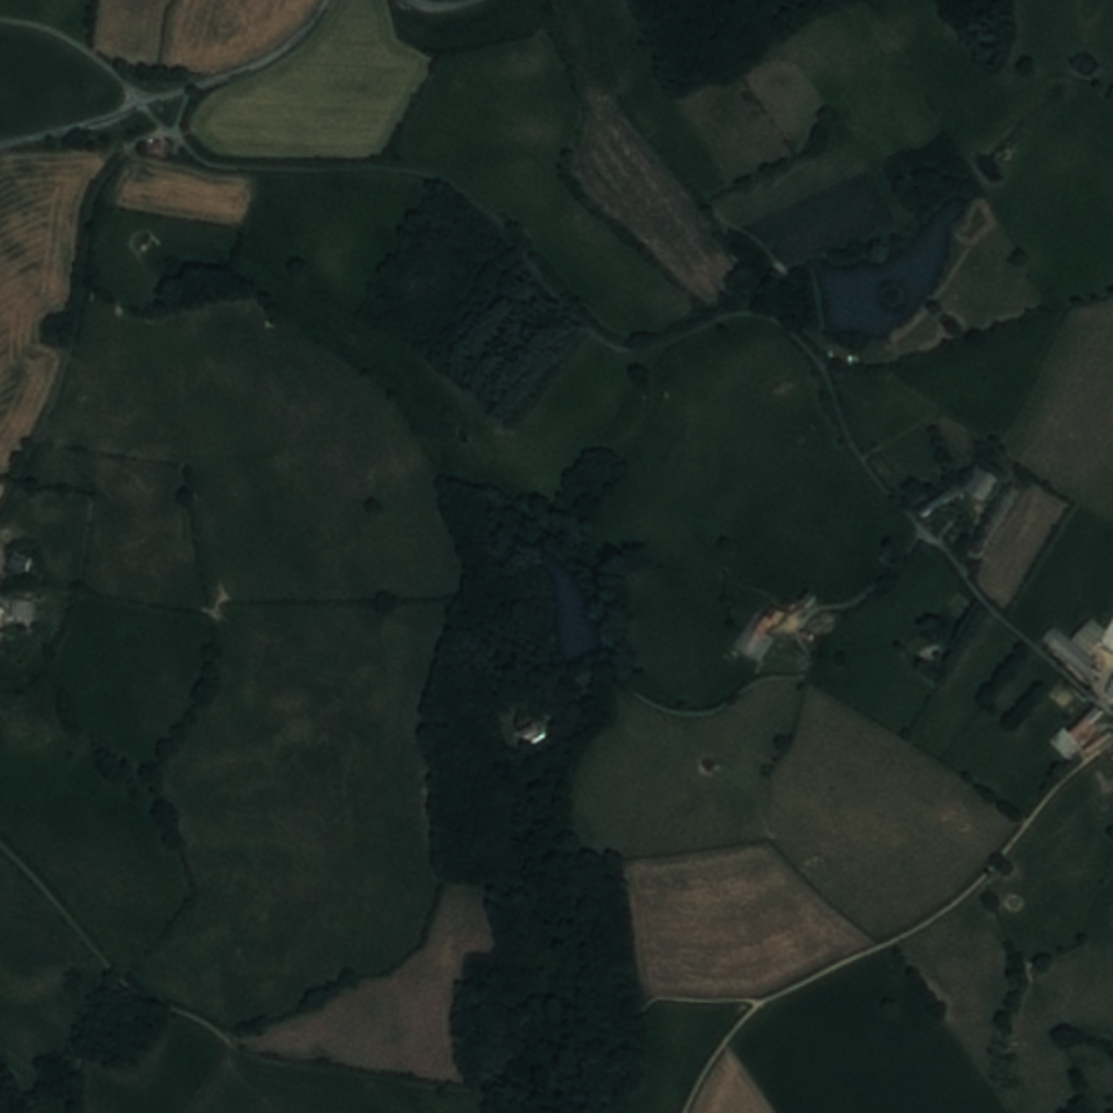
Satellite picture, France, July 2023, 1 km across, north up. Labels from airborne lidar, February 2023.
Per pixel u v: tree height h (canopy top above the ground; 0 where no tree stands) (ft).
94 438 0
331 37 0
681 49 55
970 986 0
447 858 77
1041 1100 0
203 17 0
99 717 0
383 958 0
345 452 0
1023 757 0
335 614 0
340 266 0
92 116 0
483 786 82
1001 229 0
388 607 37
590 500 57
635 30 0
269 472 0
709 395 0
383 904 0
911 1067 0
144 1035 68
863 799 0
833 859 0
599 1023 73
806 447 0
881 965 0
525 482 0
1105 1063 0
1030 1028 0
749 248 19
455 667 62
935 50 0
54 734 0
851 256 36
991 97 0
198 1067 0
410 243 38
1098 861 0
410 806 0
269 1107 0
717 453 0
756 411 0
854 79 0
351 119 0
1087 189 0
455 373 65
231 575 0
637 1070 60
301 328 0
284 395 0
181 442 0
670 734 0
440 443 0
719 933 0
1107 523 0
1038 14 0
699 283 0
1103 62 0
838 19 0
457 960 0
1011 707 0
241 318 0
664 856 0
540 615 85
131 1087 0
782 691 0
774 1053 0
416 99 23
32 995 0
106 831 0
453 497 68
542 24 0
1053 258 0
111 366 0
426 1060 0
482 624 70
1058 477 0
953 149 21
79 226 0
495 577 75
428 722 60
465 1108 0
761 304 53
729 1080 0
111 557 0
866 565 0
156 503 0
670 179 0
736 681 0
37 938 0
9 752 0
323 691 0
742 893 0
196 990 0
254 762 0
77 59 0
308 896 0
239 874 0
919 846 0
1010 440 0
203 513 0
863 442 0
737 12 69
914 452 0
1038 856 0
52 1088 37
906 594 0
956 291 0
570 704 60
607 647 29
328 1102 0
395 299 25
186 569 0
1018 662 48
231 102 0
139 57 0
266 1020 32
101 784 0
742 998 0
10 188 0
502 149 0
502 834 93
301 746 0
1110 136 0
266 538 0
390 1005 0
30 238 0
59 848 0
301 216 0
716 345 0
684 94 43
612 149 0
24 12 0
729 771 0
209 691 52
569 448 0
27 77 0
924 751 0
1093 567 0
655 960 0
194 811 0
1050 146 0
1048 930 0
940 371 0
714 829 0
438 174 0
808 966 0
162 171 0
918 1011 0
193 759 0
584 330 53
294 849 0
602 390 0
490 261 33
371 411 0
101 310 0
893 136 0
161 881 0
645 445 0
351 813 0
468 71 0
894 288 34
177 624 0
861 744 0
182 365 0
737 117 0
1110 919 0
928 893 0
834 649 0
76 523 0
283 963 0
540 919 50
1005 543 0
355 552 0
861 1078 0
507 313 92
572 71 31
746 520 0
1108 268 0
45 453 0
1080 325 0
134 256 0
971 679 0
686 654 0
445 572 0
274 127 0
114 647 0
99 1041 71
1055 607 0
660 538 0
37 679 18
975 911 0
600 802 0
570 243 0
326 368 0
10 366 0
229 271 51
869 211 0
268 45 0
